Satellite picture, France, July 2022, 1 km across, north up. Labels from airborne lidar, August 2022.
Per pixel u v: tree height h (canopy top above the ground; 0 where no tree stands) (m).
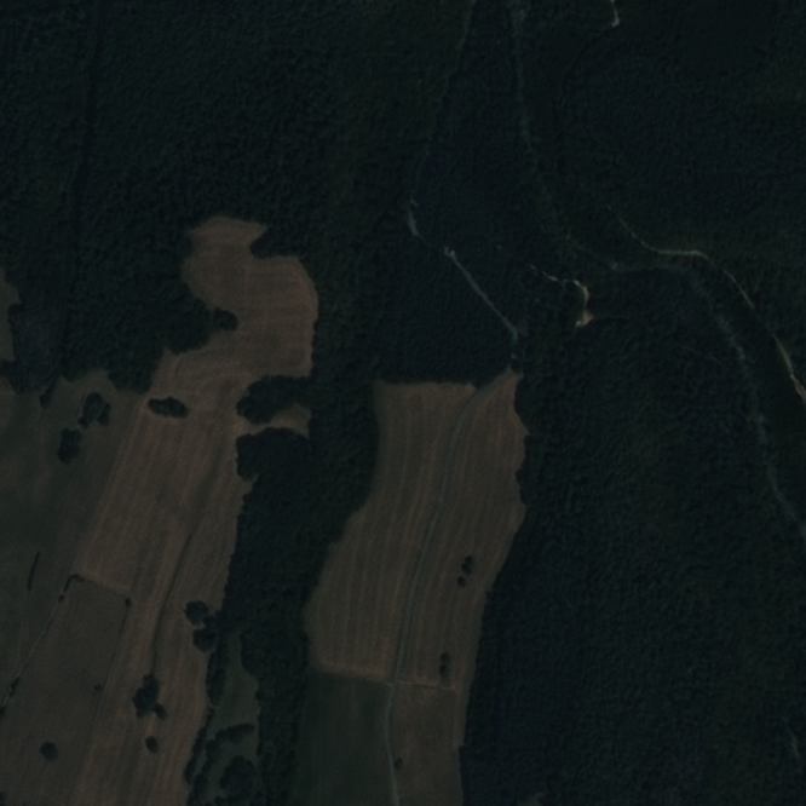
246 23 18
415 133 21
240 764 19
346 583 0
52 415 0
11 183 9
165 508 0
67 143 28
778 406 10
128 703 0
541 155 15
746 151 27
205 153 7
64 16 27
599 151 20
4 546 0
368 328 22
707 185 16
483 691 9
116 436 0
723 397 37
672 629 14
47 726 0
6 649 0
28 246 21
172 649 0
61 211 21
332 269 17
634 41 12
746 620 15
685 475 18
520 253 18
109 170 21
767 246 11
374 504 0
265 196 9
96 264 14
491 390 0
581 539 23
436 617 0
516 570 9
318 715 0
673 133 28
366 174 23
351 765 0
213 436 0
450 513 0
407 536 0
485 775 29
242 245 0
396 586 0
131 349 15
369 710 0
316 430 21
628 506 11
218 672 13
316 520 17
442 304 31
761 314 25
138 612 0
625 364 16
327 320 15
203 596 0
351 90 16
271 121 12
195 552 0
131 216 12
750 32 11
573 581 32
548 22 14
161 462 0
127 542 0
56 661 0
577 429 20
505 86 10
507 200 21
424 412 0
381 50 22
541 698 28
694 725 15
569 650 21
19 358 22
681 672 18
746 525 19
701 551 18
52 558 0
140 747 0
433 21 18
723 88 20
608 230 21
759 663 13
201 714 0
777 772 23
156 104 18
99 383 0
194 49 17
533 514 6
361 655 0
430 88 19
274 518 19
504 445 0
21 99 21
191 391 0
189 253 8
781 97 13
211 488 0
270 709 19
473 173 17
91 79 6
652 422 16
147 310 18
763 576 22
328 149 17
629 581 13
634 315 23
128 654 0
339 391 24
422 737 0
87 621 0
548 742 27
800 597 24
